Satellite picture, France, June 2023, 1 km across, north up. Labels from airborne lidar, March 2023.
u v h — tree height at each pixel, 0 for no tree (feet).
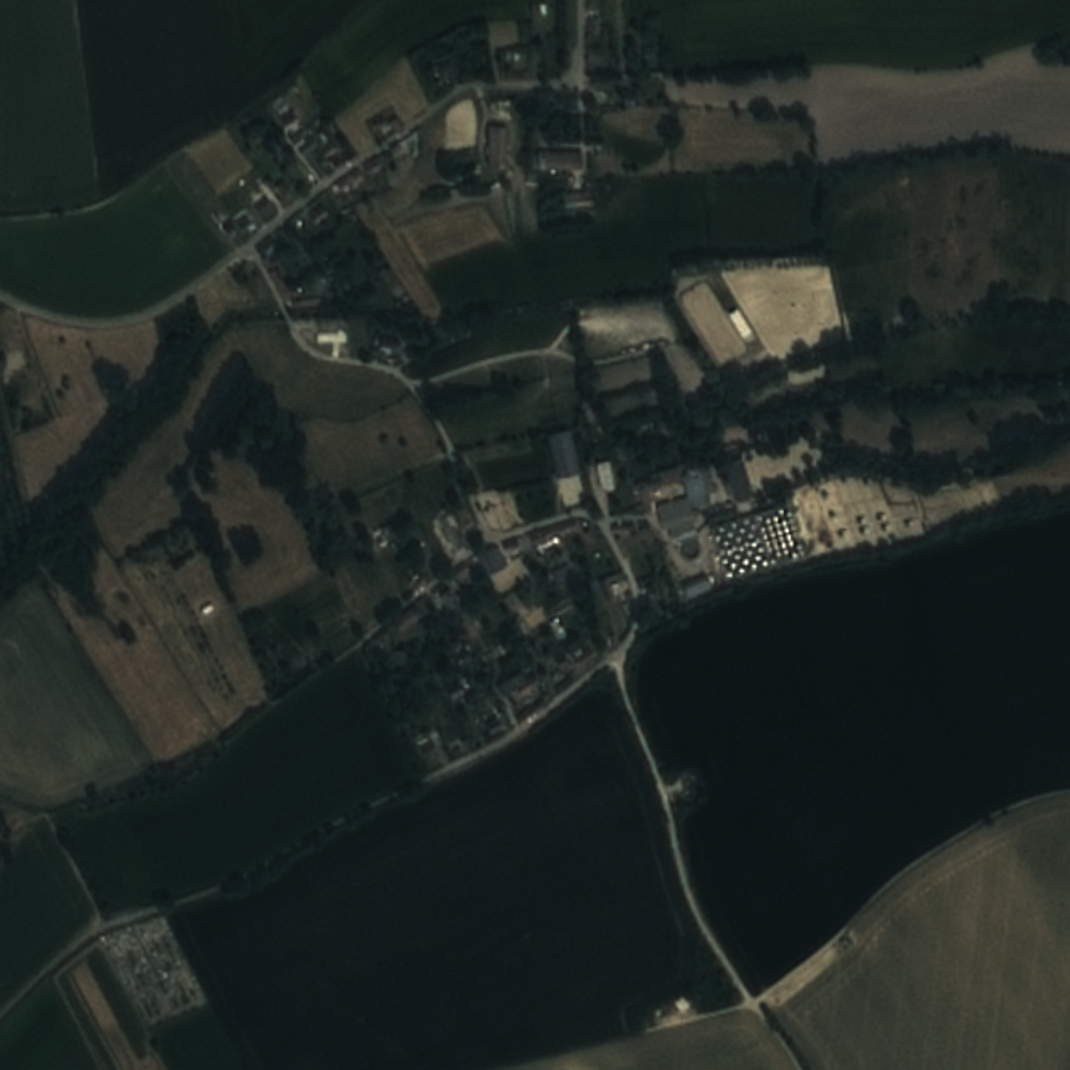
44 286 0
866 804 0
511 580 0
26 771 0
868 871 0
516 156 0
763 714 0
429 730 0
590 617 43
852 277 0
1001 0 0
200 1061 0
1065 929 0
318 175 0
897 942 0
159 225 0
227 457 0
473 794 0
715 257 56
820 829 0
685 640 0
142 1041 0
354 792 0
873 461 71
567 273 0
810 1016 0
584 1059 0
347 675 0
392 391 0
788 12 0
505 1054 0
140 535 0
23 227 0
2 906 0
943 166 0
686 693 0
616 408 0
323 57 0
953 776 0
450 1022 0
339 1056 0
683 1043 0
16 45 0
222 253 0
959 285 0
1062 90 0
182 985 0
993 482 0
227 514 0
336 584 0
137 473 0
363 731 0
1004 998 0
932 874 0
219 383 0
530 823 0
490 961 0
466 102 0
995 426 0
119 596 0
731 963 0
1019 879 0
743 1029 0
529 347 0
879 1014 0
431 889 0
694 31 0
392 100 0
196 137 0
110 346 0
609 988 0
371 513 0
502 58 25
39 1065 0
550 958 0
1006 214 0
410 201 0
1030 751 0
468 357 0
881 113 0
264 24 0
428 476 0
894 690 0
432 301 0
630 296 25
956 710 0
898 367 0
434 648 21
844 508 0
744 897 0
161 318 0
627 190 0
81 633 0
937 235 0
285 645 0
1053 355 0
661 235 0
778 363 35
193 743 0
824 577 0
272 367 0
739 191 0
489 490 0
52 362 0
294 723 0
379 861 0
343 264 36
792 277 0
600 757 0
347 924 0
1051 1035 0
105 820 0
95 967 0
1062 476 0
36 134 0
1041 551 0
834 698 0
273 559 0
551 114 41
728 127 0
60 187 0
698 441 49
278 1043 0
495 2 0
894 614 0
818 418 0
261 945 0
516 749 0
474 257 0
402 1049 0
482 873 0
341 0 0
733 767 0
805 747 0
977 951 0
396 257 0
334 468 0
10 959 0
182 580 0
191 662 0
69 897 0
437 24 0
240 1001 0
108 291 0
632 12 0
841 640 0
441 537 0
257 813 0
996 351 0
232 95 0
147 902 0
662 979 0
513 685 0
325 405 0
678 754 0
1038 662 0
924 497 0
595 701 0
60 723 0
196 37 0
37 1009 0
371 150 0
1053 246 0
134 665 0
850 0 0
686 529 0
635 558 0
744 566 0
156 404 64
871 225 0
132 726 0
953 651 0
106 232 0
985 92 0
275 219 0
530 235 0
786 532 0
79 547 91
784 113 31
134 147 0
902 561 0
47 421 0
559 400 0
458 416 0
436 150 0
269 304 0
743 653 0
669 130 69
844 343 87
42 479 0
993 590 0
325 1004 0
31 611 0
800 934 0
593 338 0
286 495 0
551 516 0
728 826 0
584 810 0
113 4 0
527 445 0
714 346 0
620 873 0
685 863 0
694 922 0
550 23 0
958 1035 0
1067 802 0
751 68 51
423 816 0
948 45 0
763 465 0
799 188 0
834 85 0
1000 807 0
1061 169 0
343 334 0
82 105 0
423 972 0
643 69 44
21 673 0
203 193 0
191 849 0
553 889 0
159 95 0
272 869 37
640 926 0
